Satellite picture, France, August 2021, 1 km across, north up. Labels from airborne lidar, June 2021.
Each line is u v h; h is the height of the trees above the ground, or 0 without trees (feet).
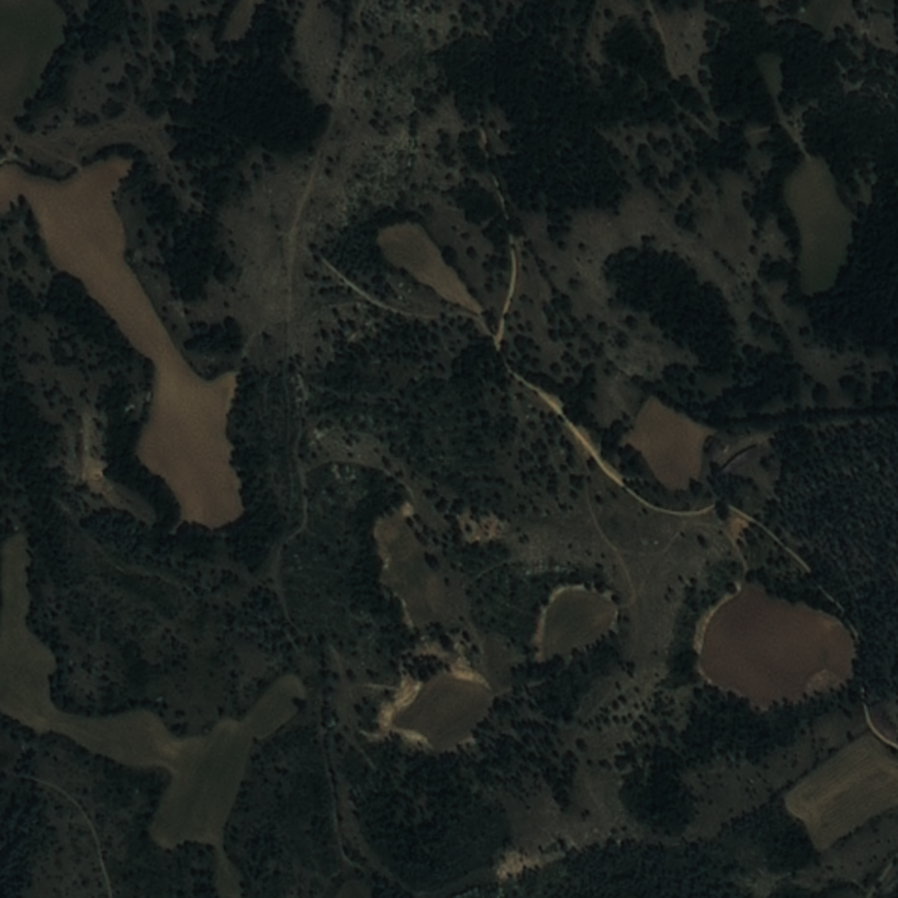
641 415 0
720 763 0
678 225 24
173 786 0
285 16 22
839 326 30
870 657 45
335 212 0
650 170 29
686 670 31
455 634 19
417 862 44
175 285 28
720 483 60
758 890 0
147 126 0
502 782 31
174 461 0
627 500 0
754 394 46
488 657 0
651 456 0
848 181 29
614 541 0
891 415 31
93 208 0
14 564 0
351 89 0
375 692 0
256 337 0
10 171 0
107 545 49
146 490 53
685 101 39
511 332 27
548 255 0
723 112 27
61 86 39
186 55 36
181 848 25
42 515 20
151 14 0
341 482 0
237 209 0
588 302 0
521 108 47
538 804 0
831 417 42
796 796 0
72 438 0
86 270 0
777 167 23
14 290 30
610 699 0
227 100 38
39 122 0
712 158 42
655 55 39
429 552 0
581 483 38
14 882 22
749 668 0
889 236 37
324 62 0
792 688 0
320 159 0
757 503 0
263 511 18
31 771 29
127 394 24
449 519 31
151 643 0
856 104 27
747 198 21
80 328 25
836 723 0
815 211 0
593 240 0
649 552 0
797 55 42
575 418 35
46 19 0
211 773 0
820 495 35
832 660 0
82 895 0
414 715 0
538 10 43
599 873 33
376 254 37
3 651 0
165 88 33
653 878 31
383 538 0
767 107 50
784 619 0
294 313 0
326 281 26
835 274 0
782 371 46
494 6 23
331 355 0
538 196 33
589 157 44
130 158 33
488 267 26
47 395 27
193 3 0
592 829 0
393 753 25
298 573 0
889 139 32
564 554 0
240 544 39
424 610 0
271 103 54
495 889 25
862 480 37
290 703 0
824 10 0
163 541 33
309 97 28
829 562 43
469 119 20
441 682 0
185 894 30
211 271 33
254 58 33
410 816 35
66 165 0
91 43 38
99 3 44
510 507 0
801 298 23
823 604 23
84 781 0
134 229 0
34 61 0
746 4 33
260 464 28
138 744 0
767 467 43
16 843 35
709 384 0
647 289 73
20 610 0
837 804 0
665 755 32
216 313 0
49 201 0
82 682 0
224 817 0
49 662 0
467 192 25
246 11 0
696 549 0
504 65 55
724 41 36
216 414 0
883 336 31
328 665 33
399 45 0
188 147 27
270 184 0
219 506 0
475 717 0
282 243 0
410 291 0
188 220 37
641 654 0
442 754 0
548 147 51
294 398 0
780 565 22
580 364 21
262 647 27
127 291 0
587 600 0
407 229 0
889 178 24
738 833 33
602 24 0
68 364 27
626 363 0
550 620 0
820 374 0
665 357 0
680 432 0
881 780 0
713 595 23
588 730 27
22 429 43
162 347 0
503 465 0
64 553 24
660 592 0
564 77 45
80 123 21
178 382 0
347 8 25
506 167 47
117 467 39
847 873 0
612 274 36
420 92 32
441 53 24
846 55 25
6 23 0
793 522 46
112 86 22
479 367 42
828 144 35
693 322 49
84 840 0
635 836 0
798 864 20
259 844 30
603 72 26
